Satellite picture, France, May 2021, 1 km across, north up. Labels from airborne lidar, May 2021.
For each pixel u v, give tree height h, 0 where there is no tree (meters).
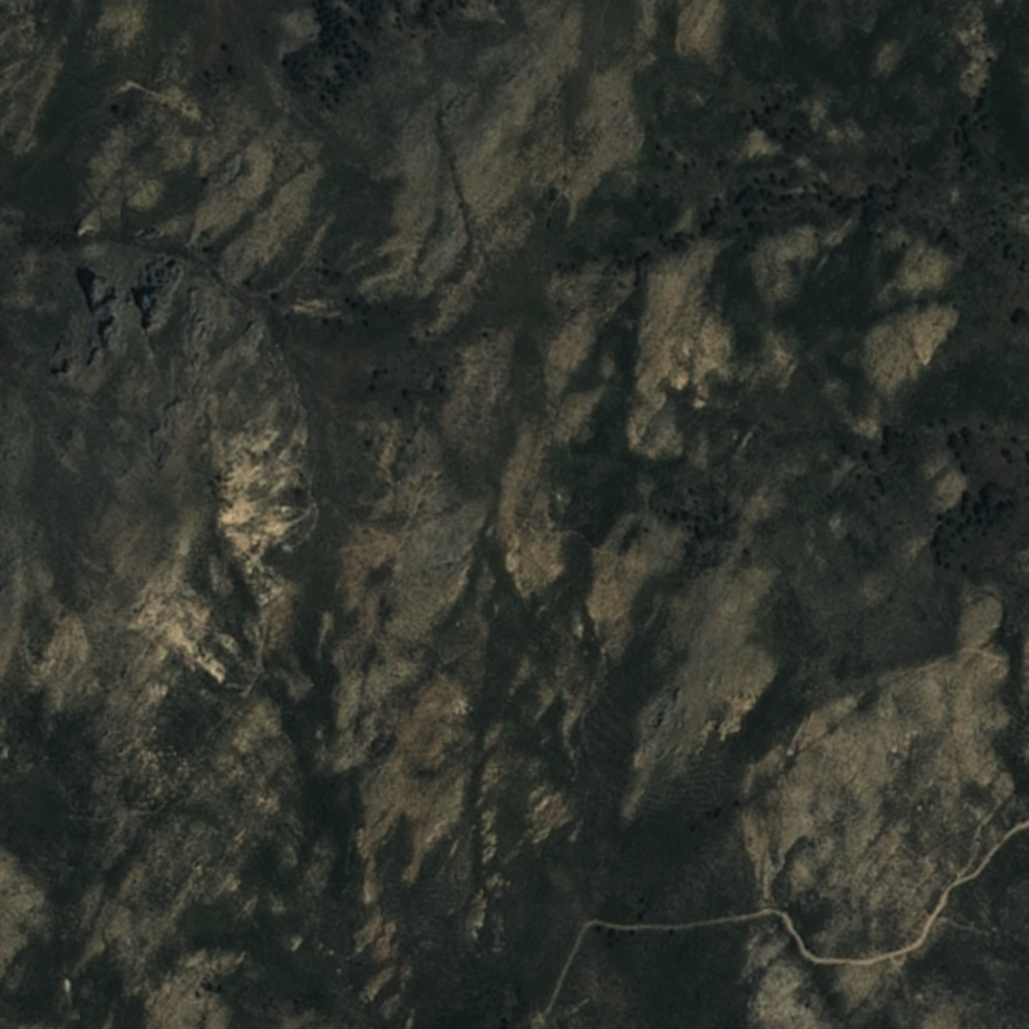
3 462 0
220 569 0
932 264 0
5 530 0
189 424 0
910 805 0
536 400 0
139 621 0
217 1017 0
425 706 0
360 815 0
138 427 0
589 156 0
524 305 0
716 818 11
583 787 0
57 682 0
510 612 0
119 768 0
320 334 0
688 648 0
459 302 0
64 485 0
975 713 0
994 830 0
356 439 0
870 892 0
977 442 20
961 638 0
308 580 0
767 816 0
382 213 0
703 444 0
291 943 0
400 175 0
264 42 0
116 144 0
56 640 0
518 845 0
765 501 0
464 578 0
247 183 0
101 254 0
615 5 0
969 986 0
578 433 0
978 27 0
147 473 0
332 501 0
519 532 0
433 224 0
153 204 0
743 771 0
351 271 0
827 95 0
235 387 0
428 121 0
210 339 0
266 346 0
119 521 0
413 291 0
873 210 16
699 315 0
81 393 0
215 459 0
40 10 0
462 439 0
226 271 0
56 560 0
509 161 0
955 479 0
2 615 0
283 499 0
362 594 0
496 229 0
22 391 0
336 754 0
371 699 0
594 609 0
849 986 0
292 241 0
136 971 0
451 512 0
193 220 0
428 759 0
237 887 0
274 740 0
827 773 0
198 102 0
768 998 0
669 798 0
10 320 0
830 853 0
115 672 0
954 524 12
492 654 0
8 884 0
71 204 0
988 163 22
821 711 0
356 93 0
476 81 0
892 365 0
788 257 0
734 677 0
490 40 0
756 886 0
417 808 0
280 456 0
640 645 0
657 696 0
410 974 0
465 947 0
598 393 0
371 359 0
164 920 0
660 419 0
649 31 0
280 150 0
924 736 0
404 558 0
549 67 0
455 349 0
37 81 0
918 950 0
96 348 0
